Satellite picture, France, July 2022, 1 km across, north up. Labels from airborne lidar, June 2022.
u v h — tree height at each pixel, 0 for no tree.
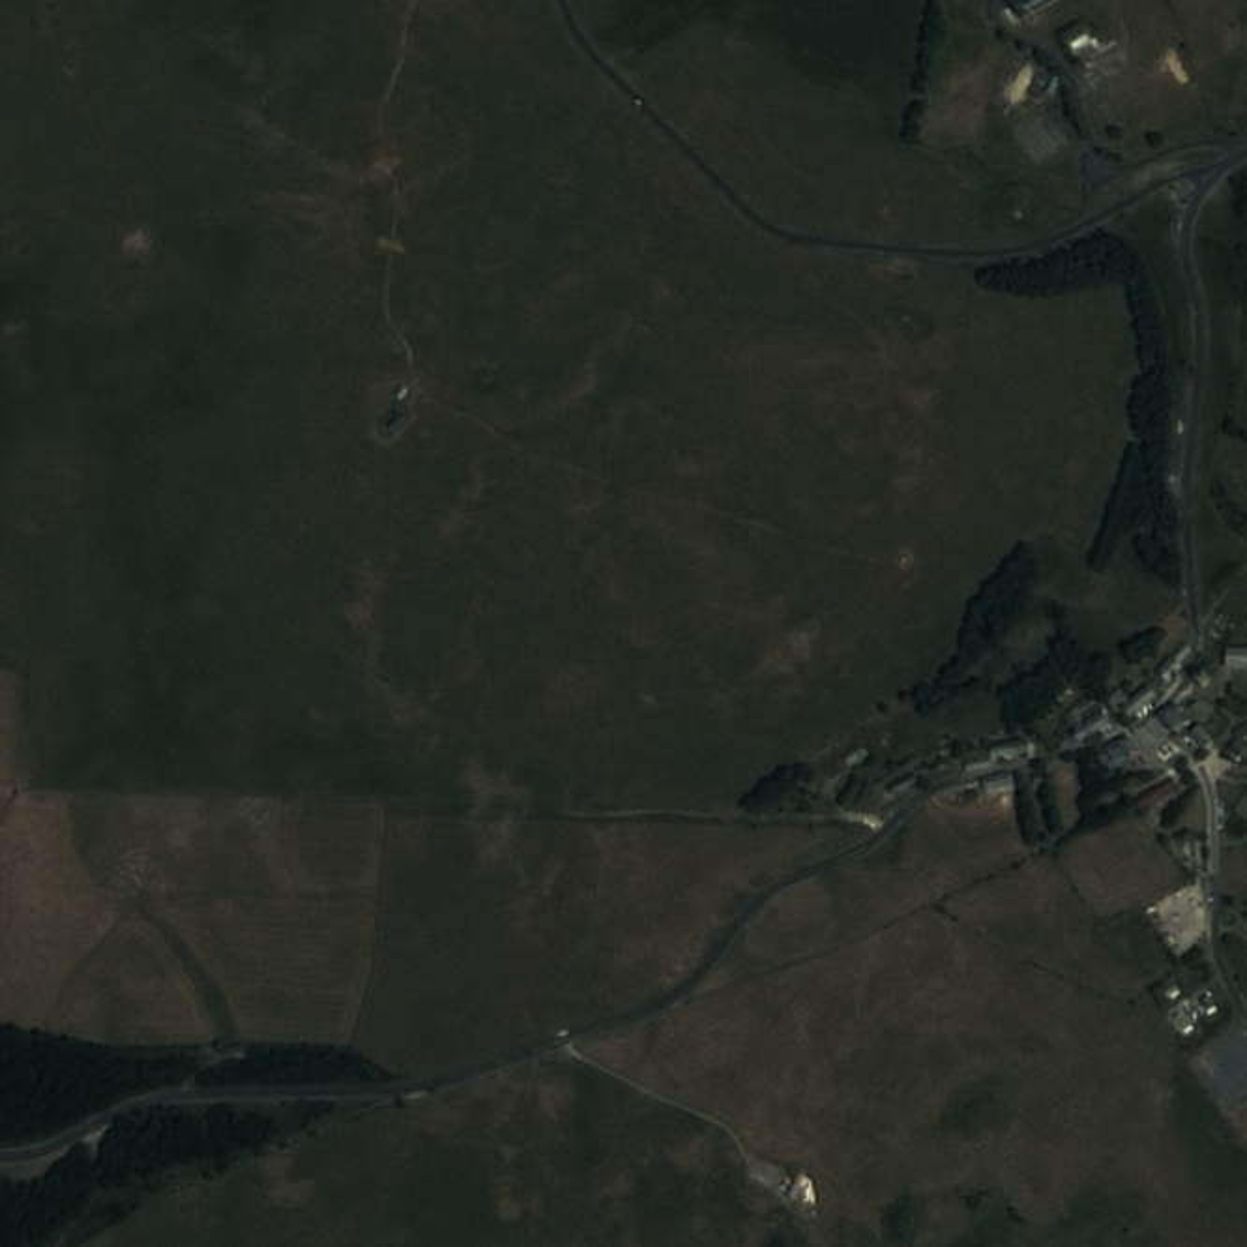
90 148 0
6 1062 13
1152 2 0
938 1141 0
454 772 0
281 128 0
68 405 0
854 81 0
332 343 0
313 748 0
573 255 0
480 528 0
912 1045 0
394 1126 0
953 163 0
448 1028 0
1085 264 18
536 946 0
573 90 0
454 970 0
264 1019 0
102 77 0
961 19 0
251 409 0
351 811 0
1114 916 0
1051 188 0
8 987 0
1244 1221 0
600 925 0
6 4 0
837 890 0
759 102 0
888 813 0
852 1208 0
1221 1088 0
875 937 0
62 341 0
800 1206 0
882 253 0
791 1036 0
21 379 0
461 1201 0
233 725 0
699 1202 0
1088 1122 0
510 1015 0
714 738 0
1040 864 0
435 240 0
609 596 0
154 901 0
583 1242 0
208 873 0
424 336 0
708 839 0
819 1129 0
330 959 0
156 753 0
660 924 0
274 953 0
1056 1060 0
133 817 0
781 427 0
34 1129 11
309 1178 0
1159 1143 0
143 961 0
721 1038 0
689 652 0
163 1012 0
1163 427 24
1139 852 0
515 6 0
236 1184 0
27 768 0
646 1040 0
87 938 0
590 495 0
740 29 0
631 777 0
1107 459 0
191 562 0
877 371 0
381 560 0
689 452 0
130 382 0
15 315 0
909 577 0
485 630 0
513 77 0
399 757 0
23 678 0
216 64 0
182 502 0
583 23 0
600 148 0
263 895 0
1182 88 0
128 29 0
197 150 0
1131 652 18
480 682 0
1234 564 0
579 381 0
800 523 0
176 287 0
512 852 0
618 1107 0
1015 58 0
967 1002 0
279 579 0
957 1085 0
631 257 0
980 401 0
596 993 0
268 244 0
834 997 0
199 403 0
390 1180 0
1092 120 0
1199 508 0
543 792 0
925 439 0
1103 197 0
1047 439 0
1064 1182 0
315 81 0
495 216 0
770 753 0
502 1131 0
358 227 0
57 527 0
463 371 0
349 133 0
